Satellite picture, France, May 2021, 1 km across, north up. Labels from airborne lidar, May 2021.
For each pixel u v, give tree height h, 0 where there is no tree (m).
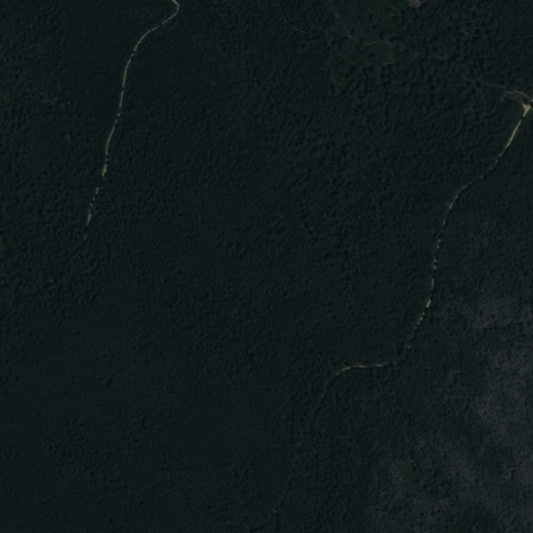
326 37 10
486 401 13
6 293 23
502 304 15
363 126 21
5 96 20
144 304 17
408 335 16
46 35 16
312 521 21
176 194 13
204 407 17
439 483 17
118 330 21
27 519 20
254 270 17
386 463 12
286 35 10
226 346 19
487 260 15
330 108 21
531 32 17
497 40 15
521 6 20
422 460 22
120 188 13
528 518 17
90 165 7
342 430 16
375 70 19
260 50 8
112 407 16
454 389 16
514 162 13
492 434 11
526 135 13
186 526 19
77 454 17
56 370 21
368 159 21
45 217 18
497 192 15
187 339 18
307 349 15
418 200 12
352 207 17
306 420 21
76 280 13
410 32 11
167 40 10
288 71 15
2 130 18
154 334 20
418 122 15
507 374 21
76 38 6
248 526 17
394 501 14
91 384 19
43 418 16
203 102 9
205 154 13
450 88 17
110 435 18
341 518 16
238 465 22
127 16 10
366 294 19
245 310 21
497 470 7
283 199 17
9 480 17
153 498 18
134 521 18
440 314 18
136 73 8
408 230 20
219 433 19
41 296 19
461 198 12
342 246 21
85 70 8
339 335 19
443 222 11
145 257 16
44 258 21
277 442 18
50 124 9
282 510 22
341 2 7
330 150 22
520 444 13
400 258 21
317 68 9
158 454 19
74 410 19
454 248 18
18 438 22
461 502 19
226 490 25
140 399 19
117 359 19
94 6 10
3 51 13
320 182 18
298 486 21
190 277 15
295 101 19
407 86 20
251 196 16
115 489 17
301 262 16
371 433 9
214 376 17
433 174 9
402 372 19
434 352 19
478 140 21
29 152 7
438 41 18
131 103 8
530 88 12
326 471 11
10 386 17
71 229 7
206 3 7
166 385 16
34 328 19
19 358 16
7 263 25
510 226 12
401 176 20
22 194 8
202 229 17
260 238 16
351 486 9
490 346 20
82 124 12
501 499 15
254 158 11
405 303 20
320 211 16
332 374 16
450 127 16
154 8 10
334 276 20
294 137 19
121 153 12
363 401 11
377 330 21
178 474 21
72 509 19
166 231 18
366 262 22
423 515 16
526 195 8
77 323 20
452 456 15
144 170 9
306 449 16
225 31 8
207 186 13
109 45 9
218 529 17
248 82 14
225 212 19
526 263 18
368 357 20
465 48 15
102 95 10
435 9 10
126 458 19
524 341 24
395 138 16
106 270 12
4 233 22
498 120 13
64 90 18
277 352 20
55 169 7
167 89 13
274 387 19
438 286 19
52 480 21
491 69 18
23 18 12
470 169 19
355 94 21
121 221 14
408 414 11
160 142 16
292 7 10
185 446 20
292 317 20
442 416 11
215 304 18
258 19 17
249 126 15
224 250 16
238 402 22
